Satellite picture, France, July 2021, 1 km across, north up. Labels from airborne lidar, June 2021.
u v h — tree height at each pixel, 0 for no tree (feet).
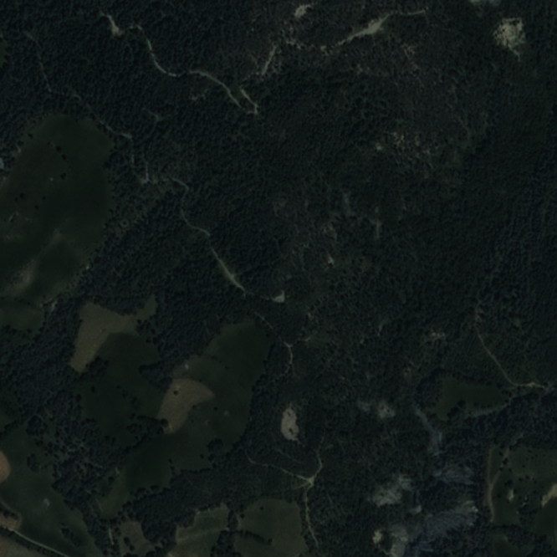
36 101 21
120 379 0
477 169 32
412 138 51
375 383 45
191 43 73
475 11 21
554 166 97
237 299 36
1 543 0
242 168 38
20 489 0
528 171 46
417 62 53
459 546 48
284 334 39
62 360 44
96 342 0
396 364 37
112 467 51
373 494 39
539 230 66
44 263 0
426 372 33
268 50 32
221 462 43
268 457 40
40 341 60
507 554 0
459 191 44
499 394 0
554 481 0
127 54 94
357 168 32
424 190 39
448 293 65
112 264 32
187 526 31
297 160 41
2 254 0
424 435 64
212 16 30
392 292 26
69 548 0
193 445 0
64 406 49
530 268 31
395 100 34
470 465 31
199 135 59
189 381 0
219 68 67
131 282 53
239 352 0
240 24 31
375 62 65
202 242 33
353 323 31
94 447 39
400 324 51
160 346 41
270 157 36
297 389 23
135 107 65
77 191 0
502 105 52
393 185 37
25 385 42
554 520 0
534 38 78
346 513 52
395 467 41
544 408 75
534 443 19
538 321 42
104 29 88
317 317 58
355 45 34
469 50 24
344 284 53
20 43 88
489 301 95
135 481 0
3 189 0
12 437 0
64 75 72
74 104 72
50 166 0
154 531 60
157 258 38
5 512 21
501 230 67
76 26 62
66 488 55
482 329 20
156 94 46
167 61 40
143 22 42
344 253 62
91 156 0
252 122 55
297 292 30
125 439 0
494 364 19
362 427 28
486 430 75
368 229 79
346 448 22
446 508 33
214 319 41
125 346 0
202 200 45
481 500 45
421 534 0
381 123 51
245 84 62
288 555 0
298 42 21
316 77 30
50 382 50
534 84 30
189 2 31
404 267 71
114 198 23
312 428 41
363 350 72
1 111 60
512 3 28
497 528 39
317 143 53
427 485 57
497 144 39
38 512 0
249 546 0
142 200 66
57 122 0
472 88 55
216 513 0
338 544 30
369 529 53
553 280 53
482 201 28
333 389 58
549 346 44
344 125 45
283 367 25
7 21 66
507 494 0
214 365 0
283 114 50
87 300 36
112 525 43
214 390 0
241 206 36
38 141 0
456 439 49
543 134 39
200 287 41
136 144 36
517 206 38
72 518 0
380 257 23
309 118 47
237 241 50
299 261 57
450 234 52
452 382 0
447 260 58
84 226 0
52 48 58
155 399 0
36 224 0
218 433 0
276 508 0
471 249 63
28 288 0
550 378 32
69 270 0
